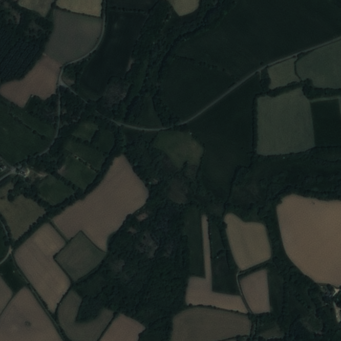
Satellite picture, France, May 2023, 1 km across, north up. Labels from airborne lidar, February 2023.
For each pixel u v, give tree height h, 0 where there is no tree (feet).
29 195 42
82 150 0
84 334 0
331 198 45
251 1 0
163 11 36
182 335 0
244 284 0
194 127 0
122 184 0
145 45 53
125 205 0
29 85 0
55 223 0
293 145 0
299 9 0
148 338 0
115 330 0
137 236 21
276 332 0
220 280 0
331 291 38
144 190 0
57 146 41
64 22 0
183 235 30
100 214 0
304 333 47
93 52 22
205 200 0
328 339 44
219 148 0
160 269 36
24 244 0
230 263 39
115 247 42
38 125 0
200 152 0
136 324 0
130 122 32
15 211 0
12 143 0
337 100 0
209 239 35
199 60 0
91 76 0
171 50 51
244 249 0
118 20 0
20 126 0
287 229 0
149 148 39
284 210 0
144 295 50
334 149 40
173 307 32
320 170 0
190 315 0
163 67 59
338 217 0
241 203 0
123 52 0
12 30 33
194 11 0
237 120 0
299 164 0
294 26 0
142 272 26
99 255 0
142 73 0
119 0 0
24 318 0
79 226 0
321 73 0
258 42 0
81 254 0
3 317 0
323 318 70
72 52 0
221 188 0
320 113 0
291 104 0
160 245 37
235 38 0
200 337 0
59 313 0
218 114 0
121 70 0
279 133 0
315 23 0
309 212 0
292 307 0
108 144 0
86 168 0
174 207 39
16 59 52
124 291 32
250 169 46
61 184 0
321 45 0
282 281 0
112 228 0
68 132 39
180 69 0
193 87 0
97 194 0
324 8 0
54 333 0
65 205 61
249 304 0
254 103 32
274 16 0
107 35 0
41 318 0
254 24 0
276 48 0
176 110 0
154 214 22
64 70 31
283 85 0
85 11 0
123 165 0
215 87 0
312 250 0
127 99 55
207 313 0
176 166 0
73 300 0
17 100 0
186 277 45
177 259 50
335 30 0
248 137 0
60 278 0
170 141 0
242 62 0
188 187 0
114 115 68
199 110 0
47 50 0
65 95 35
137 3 0
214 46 0
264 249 0
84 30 0
